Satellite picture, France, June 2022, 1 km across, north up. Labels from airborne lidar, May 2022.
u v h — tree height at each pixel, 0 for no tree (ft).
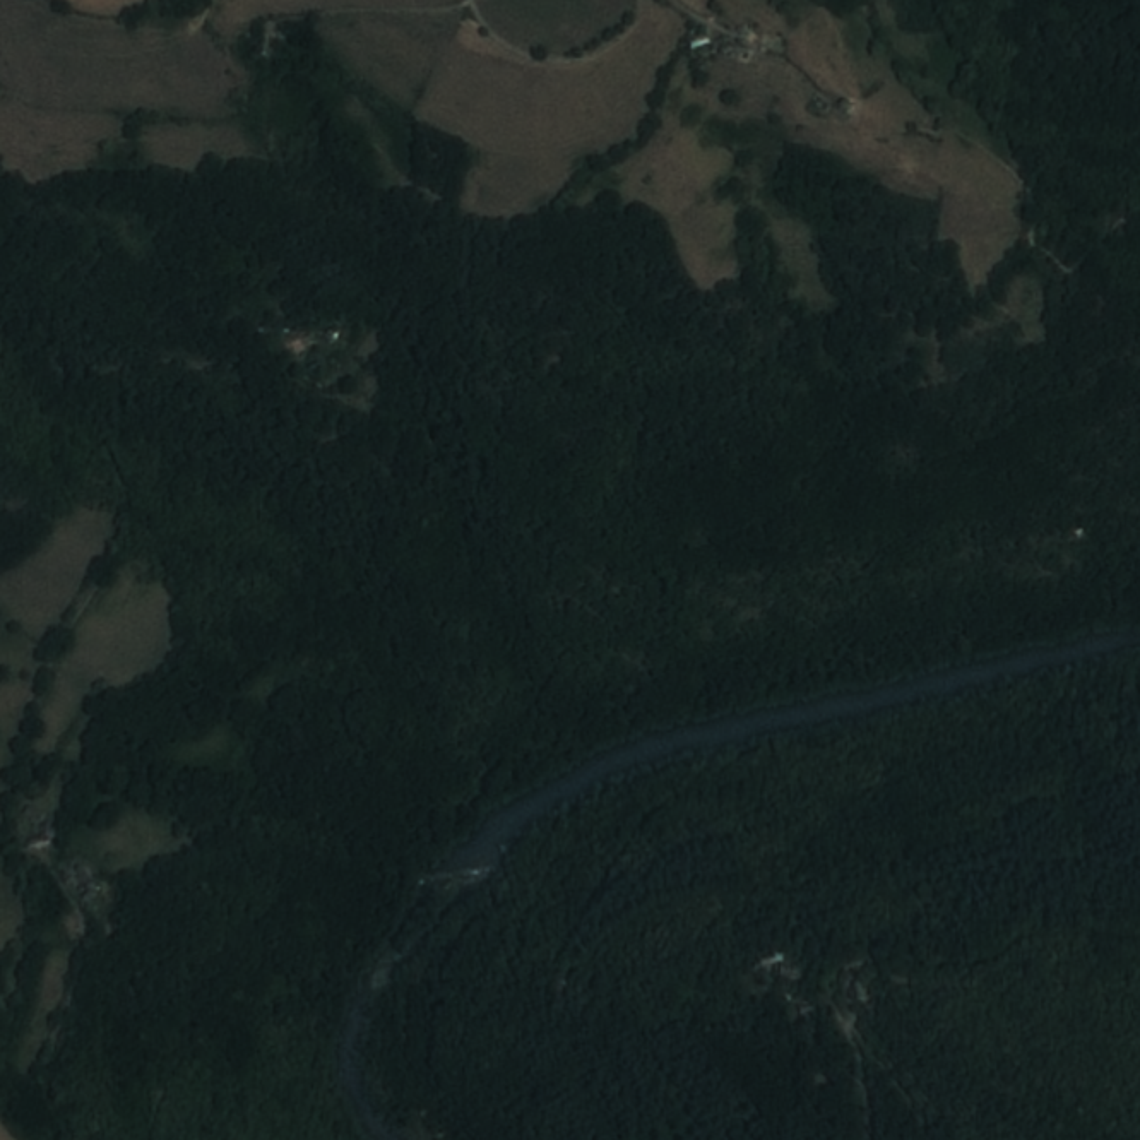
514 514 60
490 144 0
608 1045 68
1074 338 49
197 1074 24
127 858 0
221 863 78
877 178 0
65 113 0
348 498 67
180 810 92
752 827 43
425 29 0
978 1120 42
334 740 34
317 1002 71
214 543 43
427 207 50
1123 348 27
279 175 36
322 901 67
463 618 45
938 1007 21
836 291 31
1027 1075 45
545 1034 72
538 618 69
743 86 0
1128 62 41
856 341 50
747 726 0
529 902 55
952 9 62
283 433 57
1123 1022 49
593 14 0
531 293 43
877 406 49
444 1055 55
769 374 48
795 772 61
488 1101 54
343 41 0
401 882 50
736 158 22
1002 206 0
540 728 57
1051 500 42
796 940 53
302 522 93
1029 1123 35
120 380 47
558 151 0
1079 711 72
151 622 0
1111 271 49
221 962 63
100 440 46
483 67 0
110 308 61
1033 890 51
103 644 0
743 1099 67
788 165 31
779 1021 53
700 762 66
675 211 0
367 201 79
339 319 37
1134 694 70
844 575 37
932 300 41
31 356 68
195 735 70
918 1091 31
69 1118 70
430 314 57
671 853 39
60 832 59
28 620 0
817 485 34
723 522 45
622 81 0
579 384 44
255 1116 27
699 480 40
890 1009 39
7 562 71
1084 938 39
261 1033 57
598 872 38
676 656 48
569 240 66
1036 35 21
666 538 34
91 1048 42
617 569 58
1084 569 24
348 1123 61
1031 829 81
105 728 83
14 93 0
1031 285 0
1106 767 58
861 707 0
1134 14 94
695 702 58
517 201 0
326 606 73
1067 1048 42
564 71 0
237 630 52
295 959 72
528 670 52
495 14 0
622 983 54
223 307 57
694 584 31
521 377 60
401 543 70
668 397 51
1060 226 40
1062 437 27
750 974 41
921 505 33
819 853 69
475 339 55
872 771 49
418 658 65
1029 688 58
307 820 76
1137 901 93
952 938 77
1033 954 40
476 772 23
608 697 55
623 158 51
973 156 0
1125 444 36
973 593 27
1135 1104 46
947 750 43
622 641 47
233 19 0
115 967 59
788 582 25
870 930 54
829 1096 70
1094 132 63
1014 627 59
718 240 0
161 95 0
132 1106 19
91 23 0
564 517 57
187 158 0
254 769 40
